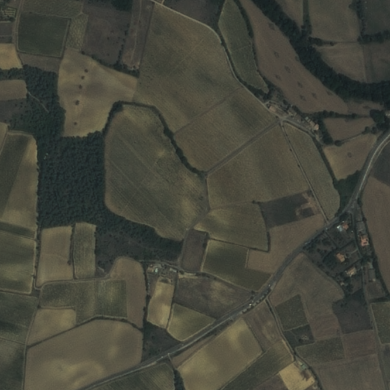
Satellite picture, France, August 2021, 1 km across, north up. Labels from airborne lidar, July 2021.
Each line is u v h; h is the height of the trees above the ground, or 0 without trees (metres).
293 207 0
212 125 0
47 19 0
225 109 0
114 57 0
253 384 0
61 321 0
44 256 0
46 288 0
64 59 0
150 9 0
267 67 0
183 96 0
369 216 0
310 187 0
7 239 0
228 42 0
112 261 9
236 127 0
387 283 0
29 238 0
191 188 0
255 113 0
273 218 0
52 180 18
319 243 11
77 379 0
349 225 7
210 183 0
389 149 0
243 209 0
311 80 0
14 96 0
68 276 0
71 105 0
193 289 0
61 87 0
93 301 0
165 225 0
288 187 0
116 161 0
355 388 0
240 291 0
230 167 0
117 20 0
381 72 0
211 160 0
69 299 0
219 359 0
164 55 0
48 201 17
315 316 0
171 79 0
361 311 0
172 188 0
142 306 0
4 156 0
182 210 0
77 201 17
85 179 19
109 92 0
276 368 0
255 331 0
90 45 0
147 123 0
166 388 0
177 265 0
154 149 0
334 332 0
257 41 0
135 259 11
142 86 0
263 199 0
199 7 0
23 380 0
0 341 0
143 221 0
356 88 19
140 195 0
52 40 0
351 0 0
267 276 0
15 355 0
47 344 0
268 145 0
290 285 0
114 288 0
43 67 0
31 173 0
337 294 0
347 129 0
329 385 0
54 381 0
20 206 0
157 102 0
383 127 14
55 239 0
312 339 0
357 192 0
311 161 0
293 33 17
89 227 0
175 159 0
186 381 0
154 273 0
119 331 0
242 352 0
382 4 0
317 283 0
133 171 0
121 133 0
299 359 0
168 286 0
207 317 0
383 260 0
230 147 0
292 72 0
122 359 0
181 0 0
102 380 0
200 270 0
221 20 0
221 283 0
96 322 0
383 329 0
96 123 0
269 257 0
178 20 0
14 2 0
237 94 0
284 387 0
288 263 0
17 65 0
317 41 15
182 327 0
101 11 0
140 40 0
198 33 0
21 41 0
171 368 0
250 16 0
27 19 0
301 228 0
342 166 0
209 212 0
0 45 0
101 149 19
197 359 0
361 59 0
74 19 0
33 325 0
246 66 0
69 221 15
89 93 0
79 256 0
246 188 0
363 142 0
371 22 0
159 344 0
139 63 0
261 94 8
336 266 10
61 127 19
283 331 0
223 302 0
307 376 0
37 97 15
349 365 0
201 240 0
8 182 0
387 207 0
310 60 17
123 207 0
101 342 0
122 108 12
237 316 0
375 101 27
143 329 7
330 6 0
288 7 0
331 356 0
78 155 14
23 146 0
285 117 0
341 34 0
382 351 0
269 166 0
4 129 0
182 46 0
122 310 0
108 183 0
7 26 0
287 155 0
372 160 0
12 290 0
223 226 0
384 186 0
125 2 6
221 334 0
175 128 0
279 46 0
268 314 0
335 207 0
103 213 12
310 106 0
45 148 14
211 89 0
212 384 0
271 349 0
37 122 10
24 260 0
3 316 0
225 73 0
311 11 0
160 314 0
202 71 0
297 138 0
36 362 0
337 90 16
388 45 0
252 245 0
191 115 0
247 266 0
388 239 0
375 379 0
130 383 0
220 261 0
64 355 0
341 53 0
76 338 0
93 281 0
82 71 0
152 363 0
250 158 0
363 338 0
